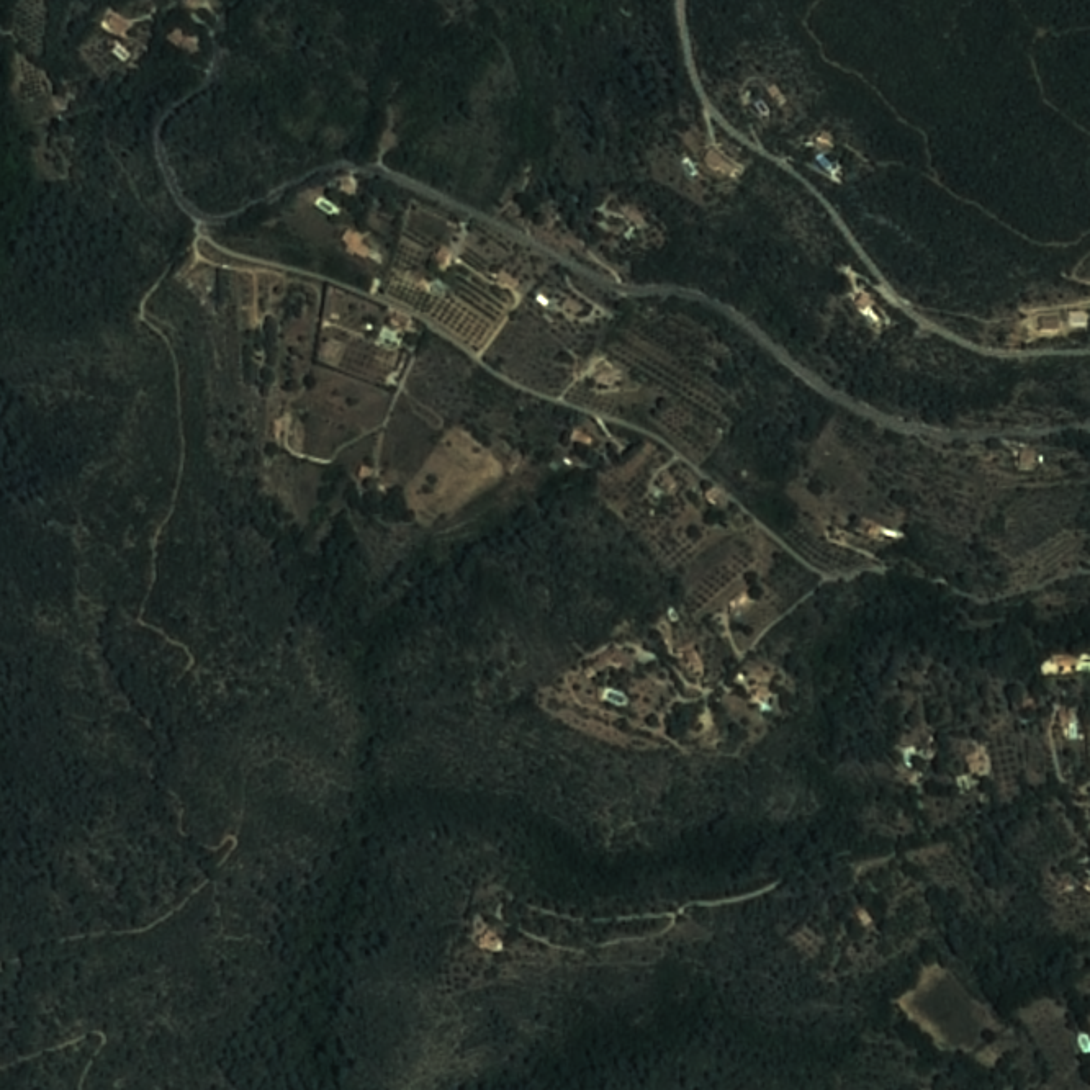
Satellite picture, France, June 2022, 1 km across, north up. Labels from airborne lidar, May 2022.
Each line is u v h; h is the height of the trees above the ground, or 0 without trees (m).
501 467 0
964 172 9
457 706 6
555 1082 11
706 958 8
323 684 7
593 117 18
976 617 16
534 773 11
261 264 0
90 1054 7
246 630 9
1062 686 10
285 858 9
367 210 8
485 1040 7
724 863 13
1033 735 7
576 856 9
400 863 6
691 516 0
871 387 10
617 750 7
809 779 6
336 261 0
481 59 8
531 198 12
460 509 0
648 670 8
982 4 8
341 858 26
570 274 7
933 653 18
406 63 15
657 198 5
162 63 12
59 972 14
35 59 10
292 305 7
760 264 11
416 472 0
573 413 8
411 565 6
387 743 15
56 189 20
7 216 6
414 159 13
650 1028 9
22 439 21
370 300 7
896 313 6
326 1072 8
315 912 8
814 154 6
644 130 7
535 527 15
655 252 6
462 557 10
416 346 6
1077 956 9
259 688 7
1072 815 9
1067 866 6
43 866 14
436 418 0
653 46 9
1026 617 15
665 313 7
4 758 7
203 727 9
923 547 17
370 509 9
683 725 11
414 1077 0
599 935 7
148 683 15
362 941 15
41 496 12
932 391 11
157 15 7
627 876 10
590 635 7
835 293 8
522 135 6
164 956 9
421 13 6
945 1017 0
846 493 0
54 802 10
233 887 14
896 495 9
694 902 6
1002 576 14
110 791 8
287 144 7
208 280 0
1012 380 8
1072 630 15
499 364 8
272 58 8
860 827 10
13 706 9
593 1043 8
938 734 8
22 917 7
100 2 8
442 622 9
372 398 0
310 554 8
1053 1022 0
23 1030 14
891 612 21
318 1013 26
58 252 15
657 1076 10
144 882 8
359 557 19
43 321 6
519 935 7
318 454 0
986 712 8
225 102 15
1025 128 8
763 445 7
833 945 5
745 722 9
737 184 7
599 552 9
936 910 9
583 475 7
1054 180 6
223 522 8
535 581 10
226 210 7
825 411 6
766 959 10
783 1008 7
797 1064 7
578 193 15
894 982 7
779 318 6
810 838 9
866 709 14
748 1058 10
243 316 0
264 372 9
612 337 6
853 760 12
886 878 9
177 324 0
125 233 12
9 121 15
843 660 8
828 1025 6
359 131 5
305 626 13
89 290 10
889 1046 7
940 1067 17
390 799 7
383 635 9
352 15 8
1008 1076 12
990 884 17
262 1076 17
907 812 7
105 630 13
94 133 10
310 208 0
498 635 8
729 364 11
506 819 7
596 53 6
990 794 7
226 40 10
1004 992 9
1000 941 9
